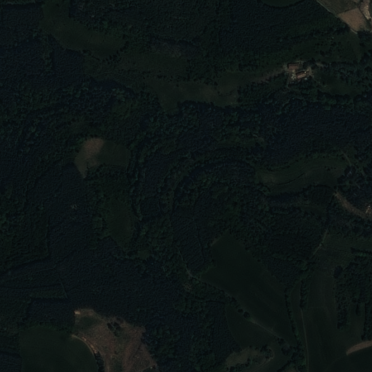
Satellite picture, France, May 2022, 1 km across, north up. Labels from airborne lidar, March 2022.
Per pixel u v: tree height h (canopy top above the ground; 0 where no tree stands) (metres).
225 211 22
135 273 28
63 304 27
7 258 12
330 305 0
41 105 20
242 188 21
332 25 10
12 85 26
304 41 19
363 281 16
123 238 0
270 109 30
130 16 21
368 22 0
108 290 22
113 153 0
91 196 14
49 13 0
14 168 26
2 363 29
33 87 33
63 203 19
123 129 20
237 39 17
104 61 0
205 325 15
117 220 0
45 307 31
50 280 16
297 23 11
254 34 15
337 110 29
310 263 12
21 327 7
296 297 0
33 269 22
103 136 16
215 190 29
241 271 0
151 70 0
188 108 23
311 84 16
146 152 27
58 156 8
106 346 0
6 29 35
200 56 15
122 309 25
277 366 0
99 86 40
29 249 10
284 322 0
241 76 0
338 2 0
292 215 21
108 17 12
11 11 31
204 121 29
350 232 16
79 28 0
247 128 30
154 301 34
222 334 14
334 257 0
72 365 0
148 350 25
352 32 0
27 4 0
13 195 20
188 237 15
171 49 29
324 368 0
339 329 12
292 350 15
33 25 31
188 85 0
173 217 16
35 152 25
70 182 25
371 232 20
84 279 22
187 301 16
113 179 21
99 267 26
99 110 19
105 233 34
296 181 0
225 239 0
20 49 37
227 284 0
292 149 23
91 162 0
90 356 0
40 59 43
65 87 30
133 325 30
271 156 28
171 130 26
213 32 13
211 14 9
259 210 9
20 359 27
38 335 0
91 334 0
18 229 20
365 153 25
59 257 17
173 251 23
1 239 13
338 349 0
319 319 0
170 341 34
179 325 35
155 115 13
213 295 14
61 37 0
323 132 27
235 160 20
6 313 7
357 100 14
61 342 0
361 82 21
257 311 0
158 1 11
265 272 0
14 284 16
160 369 27
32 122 17
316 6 12
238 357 0
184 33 9
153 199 13
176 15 10
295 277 13
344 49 0
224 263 0
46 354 0
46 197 20
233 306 15
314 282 0
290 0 0
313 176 0
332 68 20
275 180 0
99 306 22
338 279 21
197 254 18
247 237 9
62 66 32
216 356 16
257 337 0
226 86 0
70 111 25
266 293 0
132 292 30
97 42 0
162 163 27
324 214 0
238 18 18
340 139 25
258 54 22
